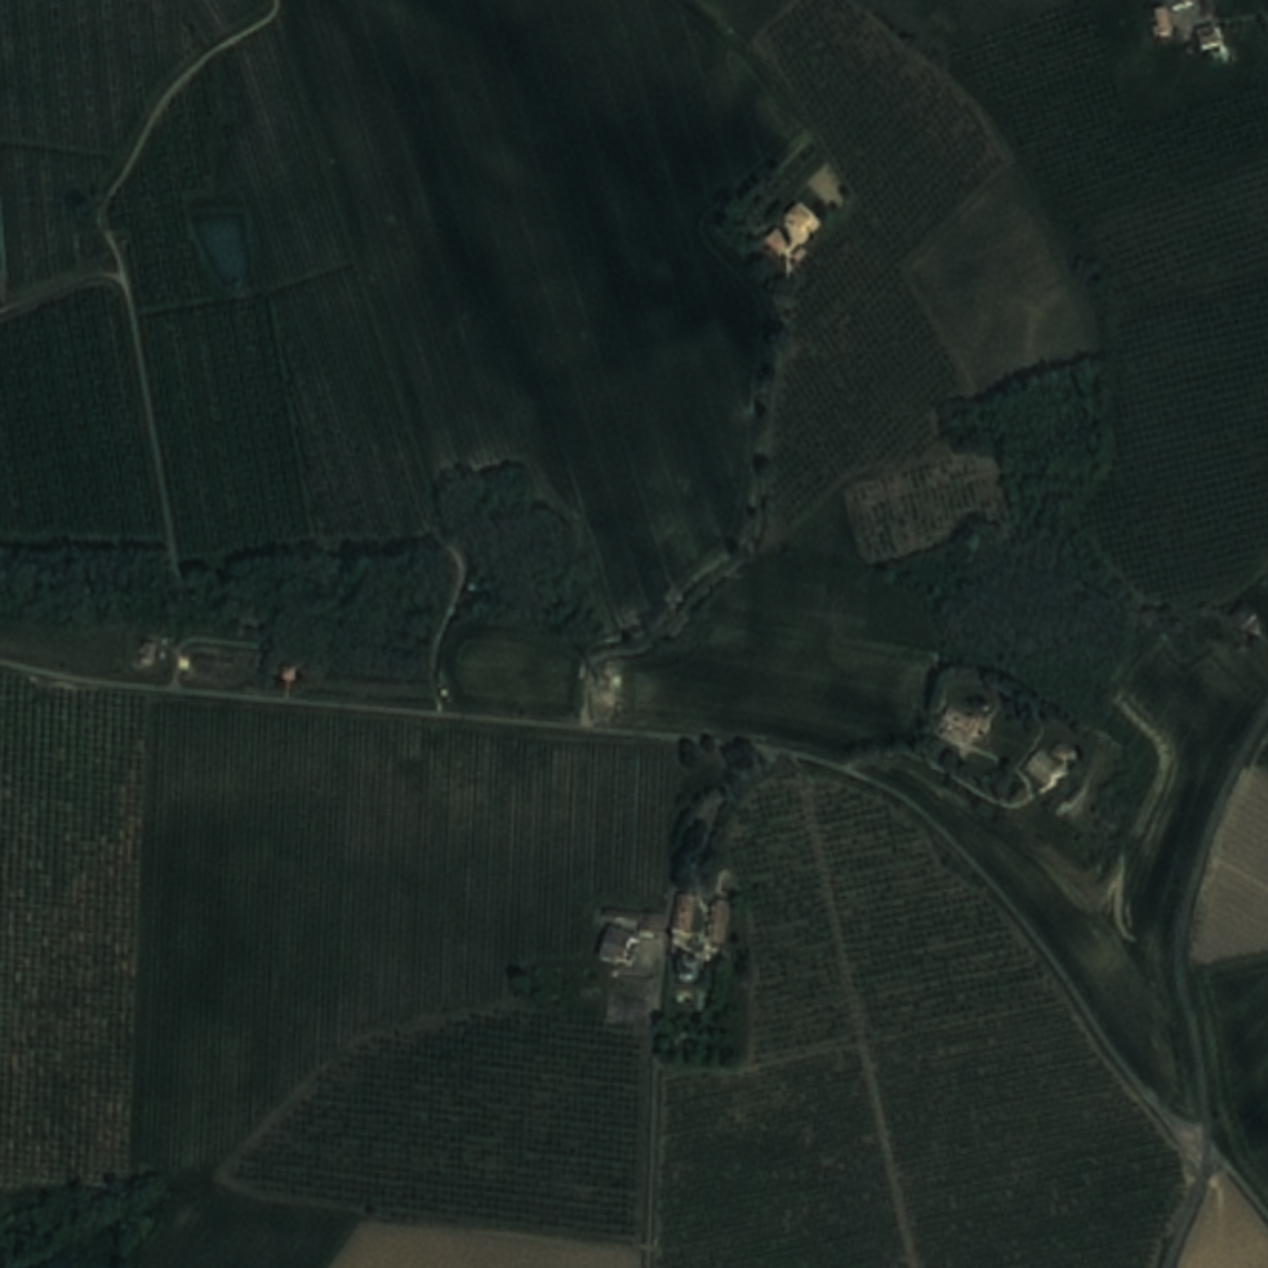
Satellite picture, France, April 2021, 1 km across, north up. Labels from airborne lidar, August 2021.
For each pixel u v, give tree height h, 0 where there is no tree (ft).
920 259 0
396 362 0
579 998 0
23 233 18
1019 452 45
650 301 0
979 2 0
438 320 0
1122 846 39
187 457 21
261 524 19
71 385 20
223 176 0
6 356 25
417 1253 0
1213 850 0
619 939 0
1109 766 0
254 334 20
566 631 28
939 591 33
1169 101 0
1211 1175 0
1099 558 34
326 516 22
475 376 0
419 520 21
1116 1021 0
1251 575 0
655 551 0
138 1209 94
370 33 0
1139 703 0
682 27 0
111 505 20
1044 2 0
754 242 53
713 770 0
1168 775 0
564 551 70
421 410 0
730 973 50
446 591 58
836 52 17
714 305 0
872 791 34
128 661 0
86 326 22
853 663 0
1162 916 0
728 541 0
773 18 0
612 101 0
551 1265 0
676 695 0
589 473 0
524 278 0
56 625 29
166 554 50
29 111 23
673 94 0
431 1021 0
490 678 0
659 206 0
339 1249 0
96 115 21
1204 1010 0
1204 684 0
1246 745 0
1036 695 31
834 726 0
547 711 0
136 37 22
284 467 22
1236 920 0
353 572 68
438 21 0
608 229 0
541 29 0
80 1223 61
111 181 0
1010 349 0
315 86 0
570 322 0
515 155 0
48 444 25
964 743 0
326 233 19
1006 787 37
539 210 0
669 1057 30
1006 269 0
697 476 0
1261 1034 0
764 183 43
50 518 21
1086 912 0
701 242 0
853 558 0
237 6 18
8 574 55
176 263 20
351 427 19
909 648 0
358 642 78
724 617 0
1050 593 81
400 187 0
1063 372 54
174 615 62
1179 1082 0
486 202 0
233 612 66
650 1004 0
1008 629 77
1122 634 74
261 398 24
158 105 0
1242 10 0
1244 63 0
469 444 0
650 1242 0
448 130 0
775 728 0
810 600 0
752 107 0
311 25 0
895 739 27
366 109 0
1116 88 18
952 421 22
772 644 0
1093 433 34
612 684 0
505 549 71
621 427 0
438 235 0
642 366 0
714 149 0
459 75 0
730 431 0
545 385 0
